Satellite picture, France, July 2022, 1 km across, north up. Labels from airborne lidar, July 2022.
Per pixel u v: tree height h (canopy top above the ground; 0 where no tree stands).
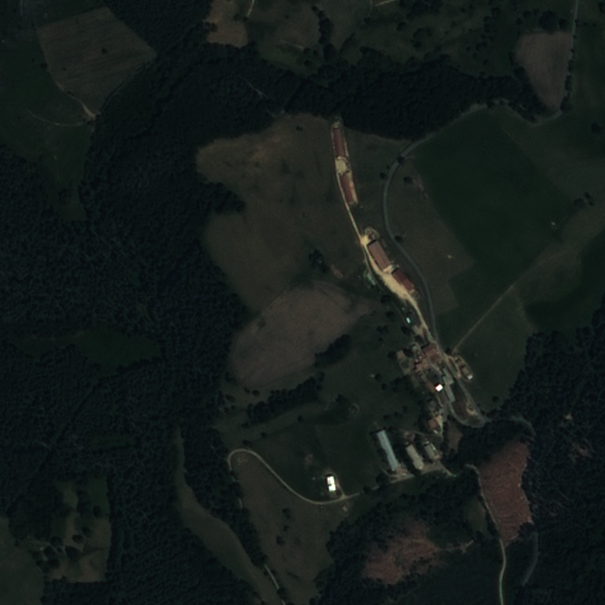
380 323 0
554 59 0
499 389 0
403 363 0
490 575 0
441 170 0
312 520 0
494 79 18
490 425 13
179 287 31
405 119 21
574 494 30
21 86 0
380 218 0
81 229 22
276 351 0
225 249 0
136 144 23
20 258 33
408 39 0
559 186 0
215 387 18
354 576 16
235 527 25
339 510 0
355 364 0
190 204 18
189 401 17
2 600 0
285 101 18
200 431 15
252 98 20
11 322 27
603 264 0
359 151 0
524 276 0
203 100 18
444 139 0
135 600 20
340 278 0
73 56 0
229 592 18
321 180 0
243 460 0
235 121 18
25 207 37
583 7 0
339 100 17
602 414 19
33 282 30
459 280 0
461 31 0
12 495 37
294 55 0
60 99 0
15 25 0
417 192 0
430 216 0
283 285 0
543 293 0
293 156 0
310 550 0
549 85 0
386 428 7
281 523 0
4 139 0
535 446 29
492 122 0
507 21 0
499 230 0
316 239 0
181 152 17
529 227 0
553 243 0
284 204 0
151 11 22
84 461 12
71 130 0
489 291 0
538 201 0
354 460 0
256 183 0
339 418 0
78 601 14
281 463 0
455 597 0
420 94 18
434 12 14
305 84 24
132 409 28
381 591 20
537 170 0
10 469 36
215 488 7
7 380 18
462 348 0
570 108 15
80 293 29
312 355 0
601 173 0
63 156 0
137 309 29
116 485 17
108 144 9
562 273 0
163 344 28
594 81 0
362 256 0
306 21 0
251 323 0
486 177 0
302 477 0
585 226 0
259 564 19
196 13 21
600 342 18
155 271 17
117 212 26
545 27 24
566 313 0
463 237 0
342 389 0
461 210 0
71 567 0
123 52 0
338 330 0
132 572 18
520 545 5
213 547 0
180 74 6
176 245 25
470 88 25
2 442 19
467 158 0
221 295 30
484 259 0
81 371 18
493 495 0
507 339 0
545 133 0
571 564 13
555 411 27
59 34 0
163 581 19
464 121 0
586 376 23
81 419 14
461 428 9
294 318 0
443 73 22
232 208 13
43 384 19
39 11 0
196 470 31
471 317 0
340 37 0
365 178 0
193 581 20
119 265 31
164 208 27
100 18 0
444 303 0
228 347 30
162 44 20
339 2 0
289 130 0
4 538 0
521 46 0
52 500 12
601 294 0
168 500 14
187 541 20
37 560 7
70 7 0
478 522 0
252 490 0
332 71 19
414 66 17
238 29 0
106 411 14
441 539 0
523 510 0
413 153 0
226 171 0
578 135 0
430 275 0
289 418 0
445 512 7
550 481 25
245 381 0
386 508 13
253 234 0
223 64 29
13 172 33
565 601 19
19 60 0
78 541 18
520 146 0
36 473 8
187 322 31
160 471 19
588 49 0
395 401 0
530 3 0
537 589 25
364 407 0
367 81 16
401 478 0
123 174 15
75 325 24
